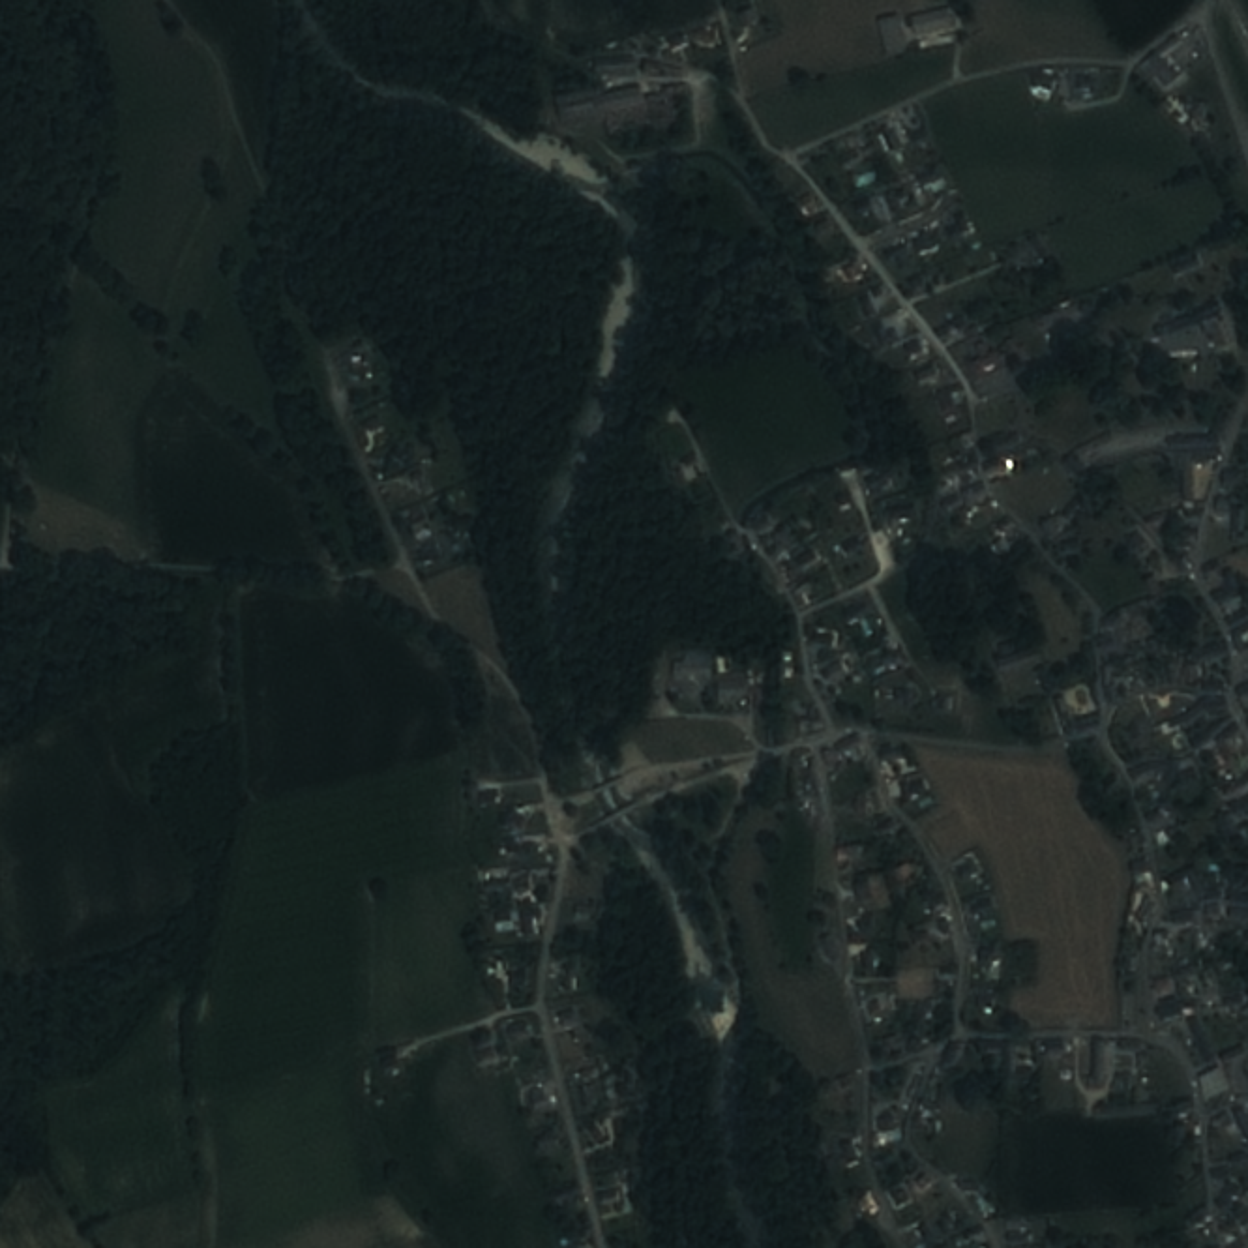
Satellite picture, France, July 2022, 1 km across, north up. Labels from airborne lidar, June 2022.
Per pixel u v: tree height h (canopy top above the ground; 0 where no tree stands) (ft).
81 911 0
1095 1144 0
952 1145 0
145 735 0
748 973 45
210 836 27
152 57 0
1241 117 0
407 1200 0
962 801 0
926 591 77
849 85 0
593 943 44
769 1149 85
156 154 0
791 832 0
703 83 0
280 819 0
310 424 81
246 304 67
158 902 0
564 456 85
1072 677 30
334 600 0
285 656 0
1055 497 0
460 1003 0
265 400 0
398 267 82
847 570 19
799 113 0
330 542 50
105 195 59
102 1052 30
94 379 0
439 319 88
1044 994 0
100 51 95
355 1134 0
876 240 0
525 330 89
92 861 0
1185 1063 0
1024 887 0
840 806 0
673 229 86
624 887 57
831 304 51
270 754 0
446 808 0
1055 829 0
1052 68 0
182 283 0
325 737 0
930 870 18
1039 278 37
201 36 0
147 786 0
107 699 0
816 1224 73
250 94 0
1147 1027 0
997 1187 0
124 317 0
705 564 73
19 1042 94
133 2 0
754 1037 69
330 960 0
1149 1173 0
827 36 0
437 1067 0
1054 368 75
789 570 24
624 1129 27
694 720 0
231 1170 0
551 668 91
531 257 73
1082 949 0
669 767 0
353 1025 0
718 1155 84
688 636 58
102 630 68
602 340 41
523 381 97
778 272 85
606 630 57
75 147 101
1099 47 0
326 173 69
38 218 103
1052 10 0
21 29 86
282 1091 0
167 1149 0
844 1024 0
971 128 0
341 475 71
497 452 74
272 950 0
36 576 85
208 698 0
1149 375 68
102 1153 0
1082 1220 0
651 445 32
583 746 53
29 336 83
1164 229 0
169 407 0
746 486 0
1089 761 42
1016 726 26
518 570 84
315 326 36
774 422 0
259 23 0
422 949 0
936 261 0
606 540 37
